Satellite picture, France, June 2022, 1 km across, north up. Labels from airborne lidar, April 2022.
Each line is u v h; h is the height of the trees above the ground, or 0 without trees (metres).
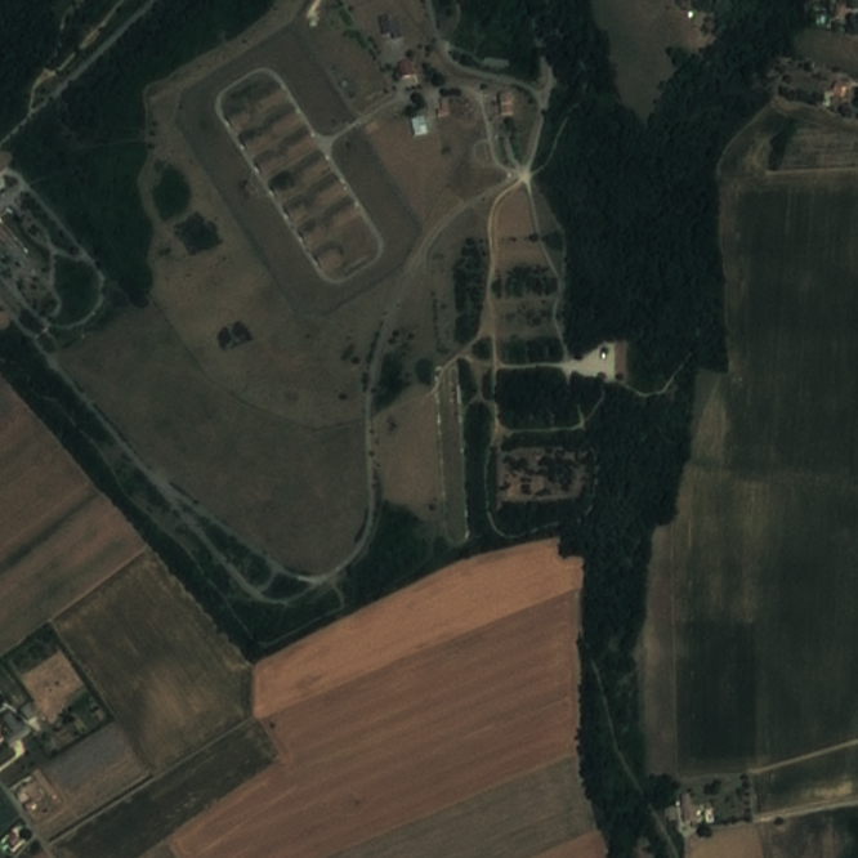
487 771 0
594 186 15
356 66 0
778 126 0
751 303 0
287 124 0
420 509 0
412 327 0
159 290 0
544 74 0
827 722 0
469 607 0
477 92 0
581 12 11
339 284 0
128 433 0
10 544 0
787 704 0
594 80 13
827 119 0
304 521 0
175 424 0
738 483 0
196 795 0
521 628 0
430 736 0
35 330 10
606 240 15
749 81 12
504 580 0
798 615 0
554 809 0
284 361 0
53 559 0
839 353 0
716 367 9
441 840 0
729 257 0
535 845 0
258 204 0
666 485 14
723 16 12
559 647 0
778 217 0
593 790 11
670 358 10
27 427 0
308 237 0
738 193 0
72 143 0
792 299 0
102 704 8
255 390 0
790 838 0
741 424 0
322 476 0
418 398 0
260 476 0
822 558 0
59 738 0
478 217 0
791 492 0
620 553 13
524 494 7
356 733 0
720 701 0
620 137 12
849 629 0
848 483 0
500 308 0
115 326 0
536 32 10
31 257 0
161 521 0
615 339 11
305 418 0
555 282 6
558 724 0
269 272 0
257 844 0
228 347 0
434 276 0
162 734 0
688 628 0
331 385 0
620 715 10
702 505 0
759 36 13
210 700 0
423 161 0
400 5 0
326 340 0
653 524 14
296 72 0
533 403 11
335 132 0
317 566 0
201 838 0
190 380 0
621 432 13
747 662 0
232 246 0
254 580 6
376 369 0
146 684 0
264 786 0
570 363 0
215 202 0
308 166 0
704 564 0
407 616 0
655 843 6
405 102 0
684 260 15
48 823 0
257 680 0
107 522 0
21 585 0
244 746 0
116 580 0
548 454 6
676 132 14
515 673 0
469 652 0
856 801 0
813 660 0
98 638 0
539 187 0
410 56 10
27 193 7
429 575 0
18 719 11
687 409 7
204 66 0
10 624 0
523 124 0
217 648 0
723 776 0
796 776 0
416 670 0
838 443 0
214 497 0
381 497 0
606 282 15
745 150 0
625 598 13
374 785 0
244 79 0
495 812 0
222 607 0
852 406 0
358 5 0
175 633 0
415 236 0
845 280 0
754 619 0
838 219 0
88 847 0
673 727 0
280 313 0
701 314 11
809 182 0
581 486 0
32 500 0
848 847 0
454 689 0
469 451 9
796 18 12
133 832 0
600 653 8
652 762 0
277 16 0
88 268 7
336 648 0
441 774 0
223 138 0
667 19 0
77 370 0
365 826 0
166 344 0
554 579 0
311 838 0
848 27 10
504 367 0
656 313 16
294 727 0
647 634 0
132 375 0
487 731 0
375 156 0
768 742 0
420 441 0
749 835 0
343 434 0
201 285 0
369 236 0
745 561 0
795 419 0
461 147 0
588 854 0
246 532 0
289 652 0
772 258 0
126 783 0
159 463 0
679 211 19
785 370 0
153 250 0
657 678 0
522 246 0
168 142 0
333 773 0
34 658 0
